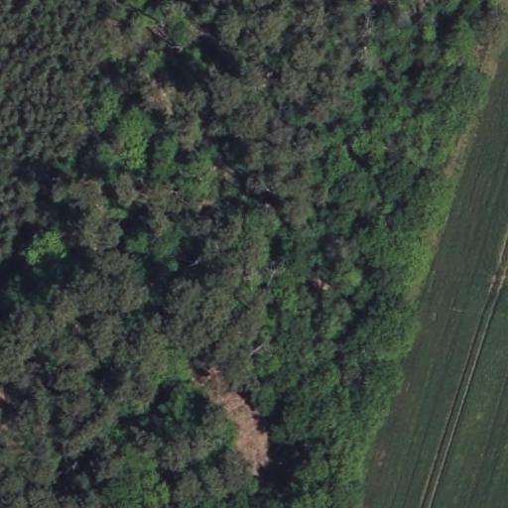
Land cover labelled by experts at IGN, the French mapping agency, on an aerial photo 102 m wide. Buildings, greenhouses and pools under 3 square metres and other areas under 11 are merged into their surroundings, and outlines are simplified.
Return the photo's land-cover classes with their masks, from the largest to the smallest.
<instances>
[{"label":"coniferous trees","instance_id":"1","mask_svg":"<svg viewBox=\"0 0 508 508\"><path fill-rule=\"evenodd\" d=\"M173 22L171 28L177 44L173 48H165L163 56L159 52L147 54L143 48H139V52H129L125 58L99 63V71L111 81L113 91L101 93L103 105L99 111L93 113L97 129L93 133H87L83 145L75 151L73 169L63 173L50 159L36 155L30 159H14V171L10 175L0 173V262L10 252L14 256H26L18 264V272L8 280L6 288V296L14 302V310L6 323H0V508H218L220 504H224L226 494L242 490V486H246L256 498L266 502L280 500L294 504L302 498V478L296 474V470L310 464V454L300 441L292 444L282 443L278 446V452L290 468L288 474H264L258 468V474H250V460H246L244 454L236 448L238 425L228 419L226 409L222 405H216L212 401L218 395H240L252 409V417L258 425V431L266 433L268 443L276 441L274 427L280 425L282 419L292 411V395L290 391L280 393L276 397L274 409L268 415H262L258 403L252 401V395L262 389L258 381L260 375H252V365H244L242 355L248 349H252V341L256 339L258 331H262L260 323L250 312L258 306L254 292L260 284L258 270L268 264L270 270H282V238H294V224H306L310 216H314V208L306 200V196L310 194L312 185H316L312 177L314 167L310 165L312 159H308V151L310 145H314L319 139L317 125L327 123L335 117L361 123L363 107H377V101L387 81L403 87V97L411 95L417 87L419 75L423 71H437L439 63L466 65L464 73H470L472 77L484 71L492 77L496 75V62L500 60V54L508 46V0H167ZM131 107L141 109L155 125L153 135L149 137L145 147V165L139 169H131L119 163L105 165L99 161V145H111L119 137V129L125 123V117L131 111ZM177 133H181L183 141L181 145H177V163L187 165L194 155L202 151H206L214 159L212 165L216 167V179L212 181L208 194L204 196H190L187 190L173 183L167 187L153 183L157 147L167 137H173ZM169 228L171 232L181 234V242L177 250L167 256L157 258L153 252H139L127 248L129 240L137 238L139 234H163ZM173 349H183L192 375L189 379H173L161 385L151 383L153 375L165 369L171 361ZM361 228L369 236H373L375 224L361 208L355 214L347 232H325L319 238L316 248L321 254V264H314L310 268V276L306 280L308 292L312 296L319 290H325L335 280L337 266L343 262L337 240L353 242Z\"/></svg>","mask_w":508,"mask_h":508},{"label":"deciduous trees","instance_id":"2","mask_svg":"<svg viewBox=\"0 0 508 508\"><path fill-rule=\"evenodd\" d=\"M466 65L439 63L437 71H423L419 75L417 87L411 95L403 97V87L387 81L377 101V107H363L361 123L335 117L327 123L317 125L319 139L314 145H310L308 151V159H312L310 165L314 167L312 177L316 185H312L310 194L306 196V200L314 208V216H310L306 224H294V238H282V270H270L268 264L258 270L260 284L254 292L258 306L250 312L260 323L262 331H258L256 339L252 341V349H248L242 355L244 365H252V375H260L258 381L262 389L252 395V401L258 403L262 415H268L274 409L276 397L280 393L290 391L292 395V411L282 419L280 425L274 427L276 441L282 443L292 444L300 441L310 454V464L296 470V474L302 478V498L294 504L280 500L266 502L256 498L246 486H242V490L226 494L224 504H220L218 508H363L365 472L375 456L377 435L381 433L391 413L393 399L401 393L403 387V357L409 355L421 329V319L417 314L415 302H409L405 294L417 286V282L425 280L431 270L433 250L429 238L437 228H443L446 222V214L458 189V179L456 175L450 179L444 177V169L448 165L446 159L456 153V143L460 135H466L472 125L476 113L484 109L488 101V87L492 77L484 71L472 77L470 73H464ZM361 208L375 224L373 236H369L361 228L353 242L337 240L343 262L337 266L335 280L325 290H319L312 296L308 292L306 280L310 276V268L314 264H321V254L316 248L319 238L325 232H347L355 214ZM155 125L141 109L131 107V111L125 117V123L119 129V137L111 145H99V161L105 165L119 163L131 169H139L145 165V147L149 137L153 135ZM183 141L181 133H177L173 137H167L157 147L153 183L167 187L173 183L187 190L190 196H204L208 194L212 181L216 179V167L212 165L214 159L206 151H202L194 155L187 165L177 163V145H181ZM181 242V234L171 232L169 228L163 234H139L137 238L129 240L127 248L139 252H153L157 258L167 256L177 250ZM192 375L183 349H173L171 361L165 369L153 375L151 383L161 385L173 379H189Z\"/></svg>","mask_w":508,"mask_h":508},{"label":"agricultural land","instance_id":"3","mask_svg":"<svg viewBox=\"0 0 508 508\"><path fill-rule=\"evenodd\" d=\"M496 75L492 77L488 87V101L484 109L476 113L472 125L474 135L470 137V143L466 147V165L462 169V177L458 179V189L446 214V222L443 228H437L429 238L433 250L431 270L425 280L417 282V286L405 294L409 302H415L417 314L421 319V329L409 355L403 357V387L401 393L393 399L391 413L381 433L377 435L375 456L365 472L363 508H508V46L500 54V60L496 62Z\"/></svg>","mask_w":508,"mask_h":508},{"label":"brushwood","instance_id":"4","mask_svg":"<svg viewBox=\"0 0 508 508\"><path fill-rule=\"evenodd\" d=\"M173 22L167 0H0V173L10 175L14 171V159H30L36 155L50 159L63 173L73 169L75 151L83 145L87 133H93L97 129L93 113L99 111L103 105L101 93L113 91L111 81L99 71V63L125 58L129 52H139V48H143L147 54L159 52L163 56L165 48H173L177 44L171 28Z\"/></svg>","mask_w":508,"mask_h":508},{"label":"herbaceous vegetation","instance_id":"5","mask_svg":"<svg viewBox=\"0 0 508 508\"><path fill-rule=\"evenodd\" d=\"M474 135L472 125L466 135H460L456 143V153L446 159L448 165L444 169V177L450 179L456 175L458 179L462 177V169L466 165V147L470 143V137ZM26 256H14L10 252L0 262V323H6L14 310V302L6 296V288L8 280L18 272V264ZM216 405H222L226 409L228 419L238 425L236 448L244 454L246 460H250V474H258V468L264 474H288L290 468L278 452V446L282 443L276 441L268 443L266 433L258 431V425L252 417V409L240 395H218L212 401Z\"/></svg>","mask_w":508,"mask_h":508}]
</instances>
